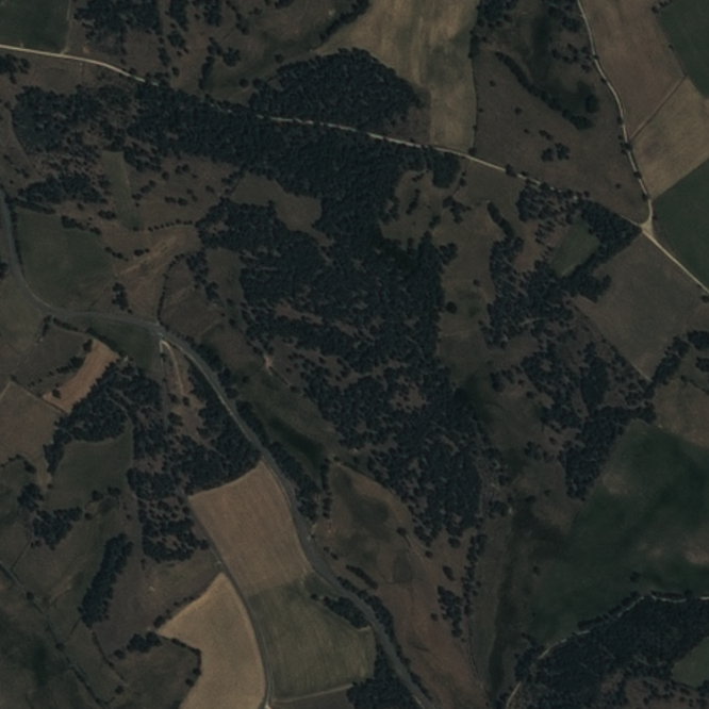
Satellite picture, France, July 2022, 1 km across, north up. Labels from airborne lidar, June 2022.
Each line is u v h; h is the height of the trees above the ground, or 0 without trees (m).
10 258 0
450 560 0
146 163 8
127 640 0
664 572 0
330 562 0
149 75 12
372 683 18
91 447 0
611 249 15
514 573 0
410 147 7
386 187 14
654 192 0
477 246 0
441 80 0
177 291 0
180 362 0
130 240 0
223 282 0
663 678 13
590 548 0
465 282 0
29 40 0
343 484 0
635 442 0
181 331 0
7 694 0
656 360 0
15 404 0
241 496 0
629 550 0
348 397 15
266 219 14
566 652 8
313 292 13
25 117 0
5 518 0
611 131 0
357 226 16
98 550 0
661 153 0
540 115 0
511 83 0
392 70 13
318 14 0
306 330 19
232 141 16
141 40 0
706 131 0
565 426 16
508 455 0
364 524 0
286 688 0
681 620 6
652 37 0
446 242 0
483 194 0
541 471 0
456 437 12
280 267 15
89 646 0
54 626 0
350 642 0
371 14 0
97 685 0
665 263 0
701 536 0
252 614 0
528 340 0
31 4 0
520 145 0
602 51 0
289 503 0
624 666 7
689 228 0
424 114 0
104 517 0
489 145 0
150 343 0
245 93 0
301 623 0
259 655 0
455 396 12
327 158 14
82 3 0
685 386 0
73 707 0
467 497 14
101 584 21
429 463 14
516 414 0
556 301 11
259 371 0
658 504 0
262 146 15
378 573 0
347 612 17
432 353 12
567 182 0
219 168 0
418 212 0
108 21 12
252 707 0
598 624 16
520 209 14
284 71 15
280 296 15
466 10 0
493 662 0
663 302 0
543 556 0
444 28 0
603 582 0
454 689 0
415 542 0
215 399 7
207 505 0
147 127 10
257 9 9
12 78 7
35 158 0
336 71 19
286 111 16
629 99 0
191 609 0
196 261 12
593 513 0
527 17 0
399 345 21
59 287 0
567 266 0
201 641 0
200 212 0
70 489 0
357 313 18
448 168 15
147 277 0
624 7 0
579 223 0
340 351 19
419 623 0
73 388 0
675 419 0
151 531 18
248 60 0
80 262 0
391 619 13
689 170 0
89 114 12
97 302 0
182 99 16
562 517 0
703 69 0
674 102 0
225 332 0
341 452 0
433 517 11
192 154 9
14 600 0
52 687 0
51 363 0
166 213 0
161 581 0
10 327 0
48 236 0
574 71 0
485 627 0
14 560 0
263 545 0
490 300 0
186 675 0
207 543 11
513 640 0
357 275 17
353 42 0
